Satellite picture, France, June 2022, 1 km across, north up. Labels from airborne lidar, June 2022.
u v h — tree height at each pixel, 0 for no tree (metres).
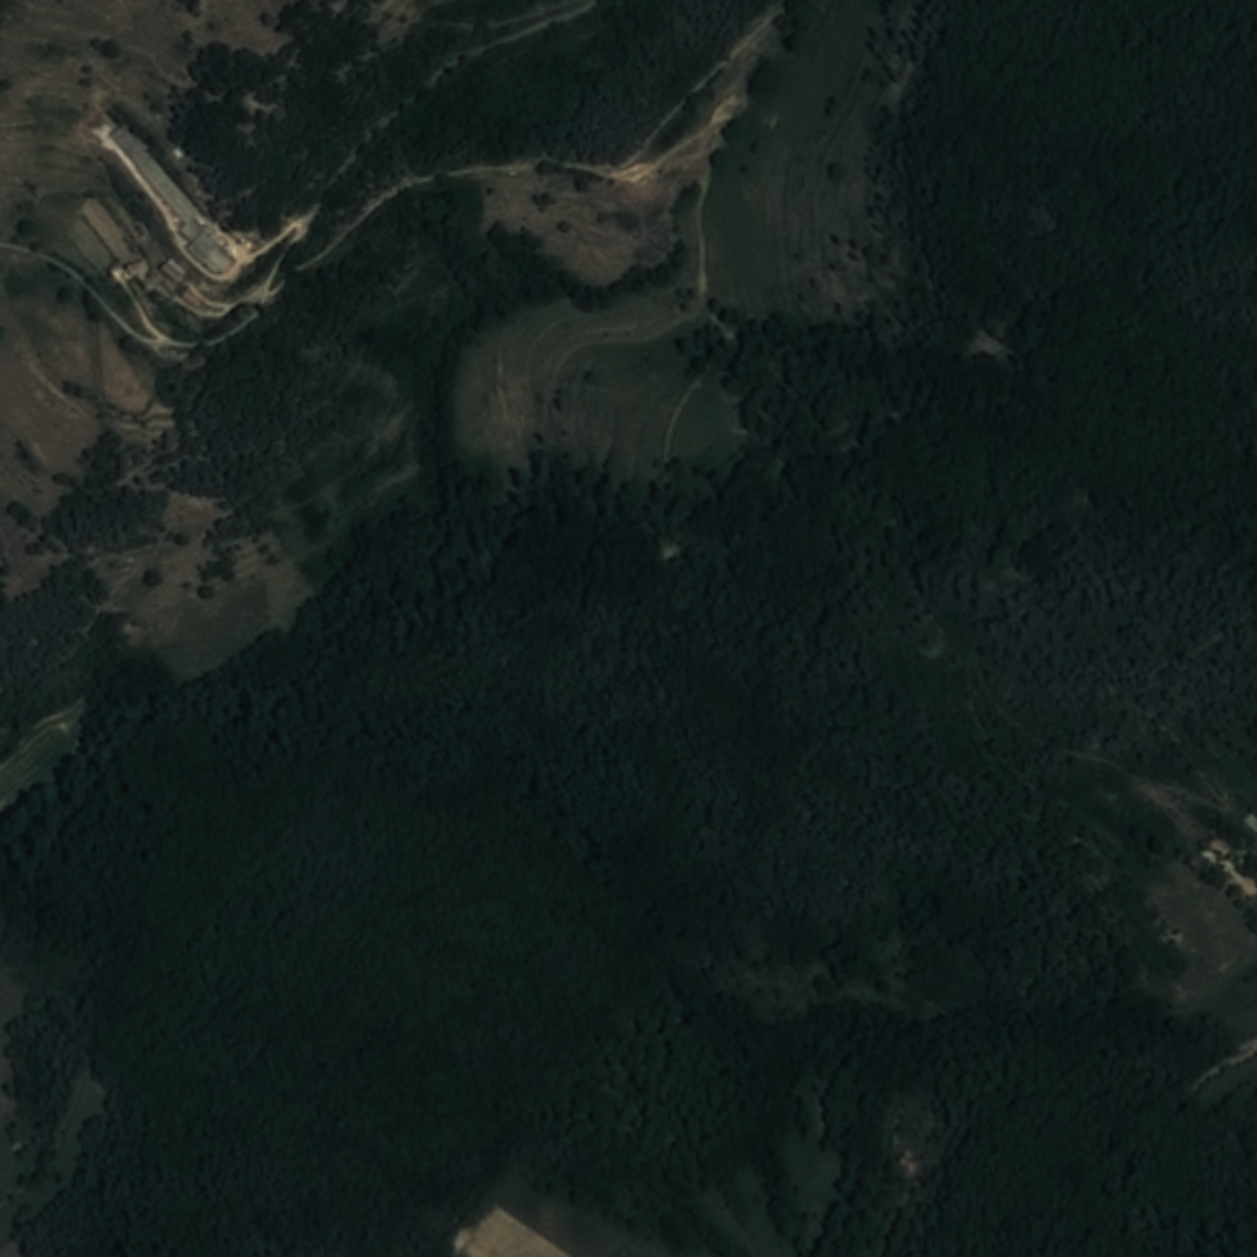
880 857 18
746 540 19
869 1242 9
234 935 10
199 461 9
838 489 22
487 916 22
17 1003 0
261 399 12
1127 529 8
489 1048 10
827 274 0
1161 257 14
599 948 18
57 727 0
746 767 17
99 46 9
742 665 11
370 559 27
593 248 0
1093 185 11
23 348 0
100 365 0
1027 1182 22
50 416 0
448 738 29
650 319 0
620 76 16
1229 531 6
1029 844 18
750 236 0
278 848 20
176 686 20
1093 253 10
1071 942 18
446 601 18
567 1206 0
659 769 17
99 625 10
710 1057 22
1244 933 0
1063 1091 16
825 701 10
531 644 15
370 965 14
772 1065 17
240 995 13
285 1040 17
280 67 12
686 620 13
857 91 0
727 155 12
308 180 12
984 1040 17
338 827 13
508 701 15
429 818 19
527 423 0
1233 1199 13
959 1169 16
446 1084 15
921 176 14
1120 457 21
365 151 16
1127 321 21
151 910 12
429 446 11
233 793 18
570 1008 16
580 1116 16
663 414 0
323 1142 13
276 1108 16
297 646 25
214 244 0
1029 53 16
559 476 13
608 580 16
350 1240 7
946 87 16
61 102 0
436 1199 12
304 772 19
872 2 0
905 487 21
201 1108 14
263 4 0
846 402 18
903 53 7
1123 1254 15
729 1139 19
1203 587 13
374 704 11
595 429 0
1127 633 14
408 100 11
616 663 7
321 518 7
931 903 10
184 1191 21
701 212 0
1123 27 18
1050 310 14
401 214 11
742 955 14
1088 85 18
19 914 9
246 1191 13
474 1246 0
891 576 14
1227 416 23
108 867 13
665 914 18
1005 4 19
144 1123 10
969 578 13
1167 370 19
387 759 24
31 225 12
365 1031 13
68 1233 15
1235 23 16
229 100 13
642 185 0
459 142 7
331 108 14
